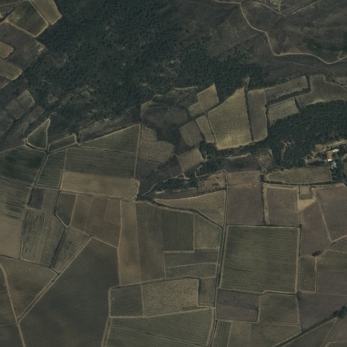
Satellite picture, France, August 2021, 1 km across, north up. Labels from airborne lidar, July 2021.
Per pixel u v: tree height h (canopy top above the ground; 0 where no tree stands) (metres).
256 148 10
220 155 6
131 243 0
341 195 0
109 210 0
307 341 0
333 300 0
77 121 8
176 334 0
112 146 0
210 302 0
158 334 0
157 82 11
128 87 13
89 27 9
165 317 0
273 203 0
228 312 0
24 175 0
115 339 0
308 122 10
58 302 0
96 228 0
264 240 0
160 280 0
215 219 0
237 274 0
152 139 0
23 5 0
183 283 0
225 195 0
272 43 0
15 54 0
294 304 0
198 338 0
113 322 0
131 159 0
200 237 0
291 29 0
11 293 0
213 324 0
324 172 0
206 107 0
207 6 0
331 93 0
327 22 0
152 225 0
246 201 0
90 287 0
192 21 0
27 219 0
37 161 0
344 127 13
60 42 9
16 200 0
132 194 0
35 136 0
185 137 0
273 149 10
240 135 0
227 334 0
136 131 0
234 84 10
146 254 0
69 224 0
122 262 0
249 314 0
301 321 0
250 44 0
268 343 0
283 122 10
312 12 0
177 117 0
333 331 0
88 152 0
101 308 0
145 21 9
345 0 0
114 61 7
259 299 0
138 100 12
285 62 0
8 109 0
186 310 0
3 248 0
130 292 0
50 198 0
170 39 12
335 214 0
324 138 9
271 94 0
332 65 0
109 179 0
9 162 0
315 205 0
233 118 0
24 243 0
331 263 0
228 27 0
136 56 8
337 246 0
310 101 0
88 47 6
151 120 0
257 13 0
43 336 0
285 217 0
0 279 0
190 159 0
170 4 0
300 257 0
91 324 0
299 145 10
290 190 0
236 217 0
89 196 0
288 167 13
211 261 0
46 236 0
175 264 0
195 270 0
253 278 0
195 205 0
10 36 0
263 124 0
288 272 0
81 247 0
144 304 0
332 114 10
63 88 10
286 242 0
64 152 0
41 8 0
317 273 0
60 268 0
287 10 0
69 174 0
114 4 10
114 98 9
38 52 0
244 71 12
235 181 0
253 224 0
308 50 0
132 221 0
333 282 0
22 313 0
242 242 0
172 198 0
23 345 0
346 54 0
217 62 10
